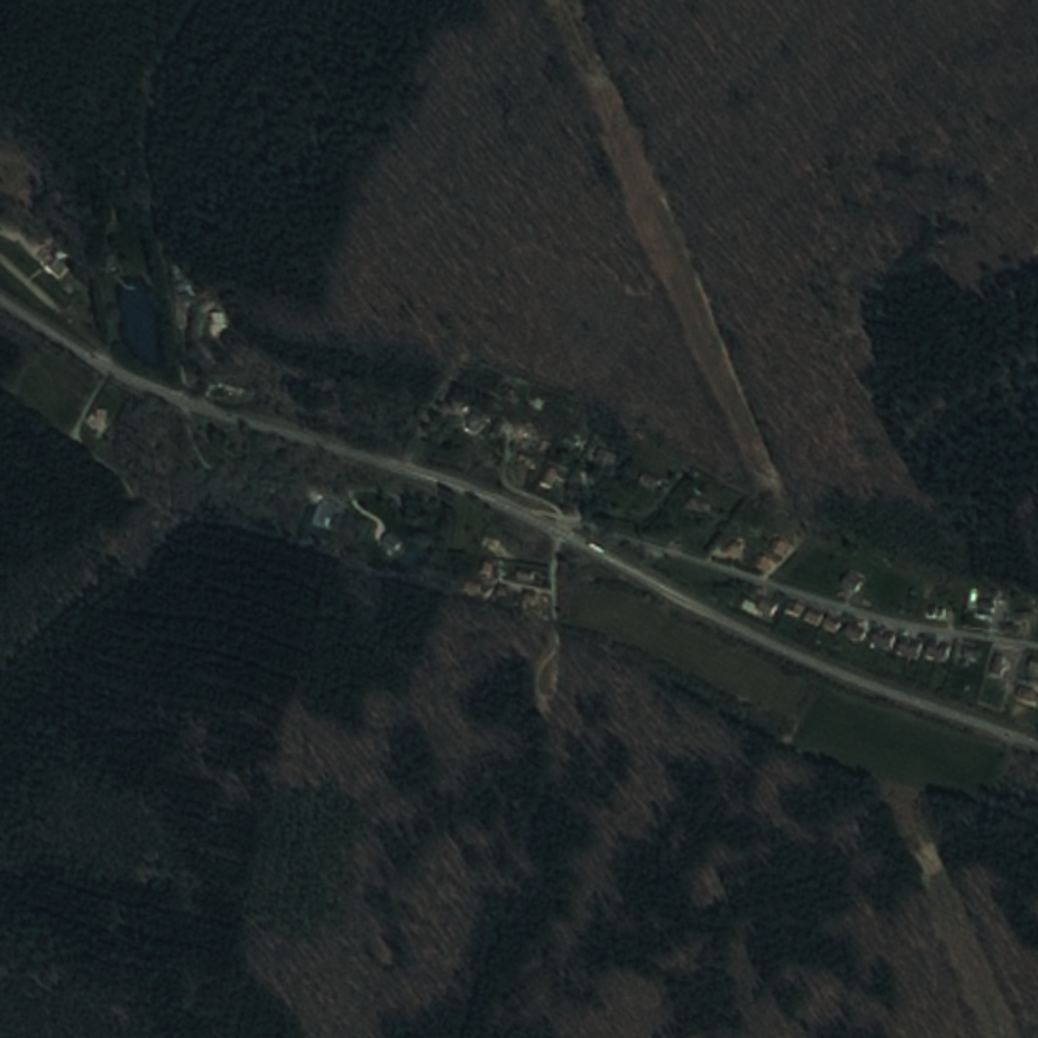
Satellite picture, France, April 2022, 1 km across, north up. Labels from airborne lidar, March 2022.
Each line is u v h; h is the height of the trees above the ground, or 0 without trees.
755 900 23
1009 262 14
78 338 0
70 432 0
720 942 16
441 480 0
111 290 0
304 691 27
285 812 15
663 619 0
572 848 29
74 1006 21
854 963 28
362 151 28
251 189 30
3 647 23
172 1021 21
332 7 26
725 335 12
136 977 23
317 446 0
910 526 16
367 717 21
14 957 17
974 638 0
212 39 20
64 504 25
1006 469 28
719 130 0
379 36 32
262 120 31
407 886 25
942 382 20
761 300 0
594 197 25
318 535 0
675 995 19
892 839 30
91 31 26
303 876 13
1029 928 30
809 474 0
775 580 0
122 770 20
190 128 29
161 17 19
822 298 17
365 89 32
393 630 24
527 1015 14
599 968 20
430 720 25
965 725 0
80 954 22
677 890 23
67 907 22
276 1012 21
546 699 0
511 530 0
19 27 29
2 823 19
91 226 22
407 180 0
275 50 23
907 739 0
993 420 12
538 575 0
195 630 21
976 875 22
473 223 0
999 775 0
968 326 27
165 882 14
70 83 20
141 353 0
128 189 20
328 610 25
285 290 27
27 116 26
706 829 26
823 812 27
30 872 15
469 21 26
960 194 12
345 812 20
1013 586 24
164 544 20
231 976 23
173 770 16
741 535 0
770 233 0
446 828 31
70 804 22
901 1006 22
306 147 9
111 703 18
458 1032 32
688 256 0
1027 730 0
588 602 0
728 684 0
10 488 25
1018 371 25
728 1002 14
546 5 23
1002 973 19
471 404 11
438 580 17
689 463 18
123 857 22
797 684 0
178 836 22
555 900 34
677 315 12
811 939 27
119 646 22
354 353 21
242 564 24
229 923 18
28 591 25
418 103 25
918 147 13
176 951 22
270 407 10
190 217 31
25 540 26
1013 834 23
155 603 23
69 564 24
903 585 0
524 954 35
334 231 31
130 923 22
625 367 0
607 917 18
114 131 25
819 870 24
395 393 19
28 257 0
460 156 0
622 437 21
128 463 9
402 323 22
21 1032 20
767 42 24
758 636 0
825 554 0
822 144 0
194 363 17
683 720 25
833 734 0
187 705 18
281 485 15
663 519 11
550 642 13
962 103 18
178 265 13
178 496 6
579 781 18
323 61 31
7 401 26
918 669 9
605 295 0
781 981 25
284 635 24
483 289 0
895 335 26
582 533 0
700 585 0
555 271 0
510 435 0
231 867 16
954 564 17
